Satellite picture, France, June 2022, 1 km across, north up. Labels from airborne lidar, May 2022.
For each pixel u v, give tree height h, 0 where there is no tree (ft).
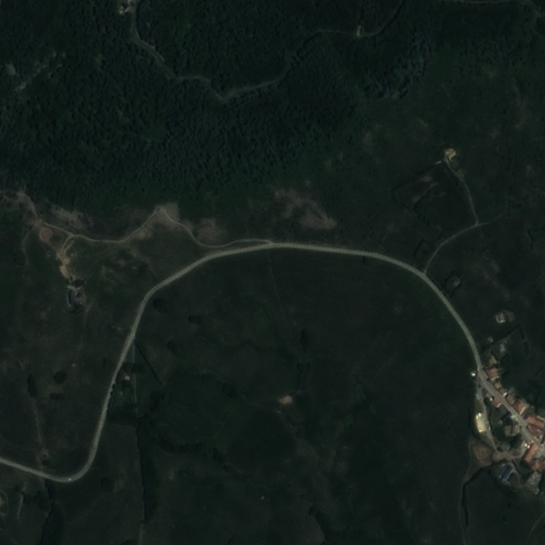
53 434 0
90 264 0
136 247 0
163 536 0
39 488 0
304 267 0
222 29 45
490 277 0
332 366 0
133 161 55
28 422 0
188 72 63
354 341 0
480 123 0
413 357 0
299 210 0
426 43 29
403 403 0
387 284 0
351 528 0
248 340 0
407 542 0
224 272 0
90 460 0
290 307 0
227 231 0
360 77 35
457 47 33
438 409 0
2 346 0
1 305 0
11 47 72
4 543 0
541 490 35
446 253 0
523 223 0
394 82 39
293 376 0
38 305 0
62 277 0
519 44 27
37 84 50
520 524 0
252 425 0
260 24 67
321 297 0
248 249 0
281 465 0
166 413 0
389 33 63
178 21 68
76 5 88
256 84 42
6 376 0
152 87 47
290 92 49
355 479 0
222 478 0
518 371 0
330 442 0
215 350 0
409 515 0
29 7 85
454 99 0
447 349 0
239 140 54
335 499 0
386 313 0
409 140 0
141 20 65
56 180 31
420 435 0
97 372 0
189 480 0
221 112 49
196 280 0
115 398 37
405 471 0
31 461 0
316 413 0
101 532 0
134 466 0
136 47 57
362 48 61
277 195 0
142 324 0
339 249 0
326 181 0
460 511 0
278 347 0
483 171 0
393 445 0
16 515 0
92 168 48
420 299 0
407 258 0
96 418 0
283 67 67
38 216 0
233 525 0
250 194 0
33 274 0
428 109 0
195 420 0
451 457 0
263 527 0
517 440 36
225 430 0
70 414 0
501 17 59
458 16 68
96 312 0
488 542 0
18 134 58
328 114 46
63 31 71
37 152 61
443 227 0
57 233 0
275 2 59
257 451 0
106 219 0
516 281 0
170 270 0
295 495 0
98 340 0
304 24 49
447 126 0
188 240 0
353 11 35
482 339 0
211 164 51
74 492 0
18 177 28
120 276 0
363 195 0
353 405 0
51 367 0
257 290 0
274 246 0
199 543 0
